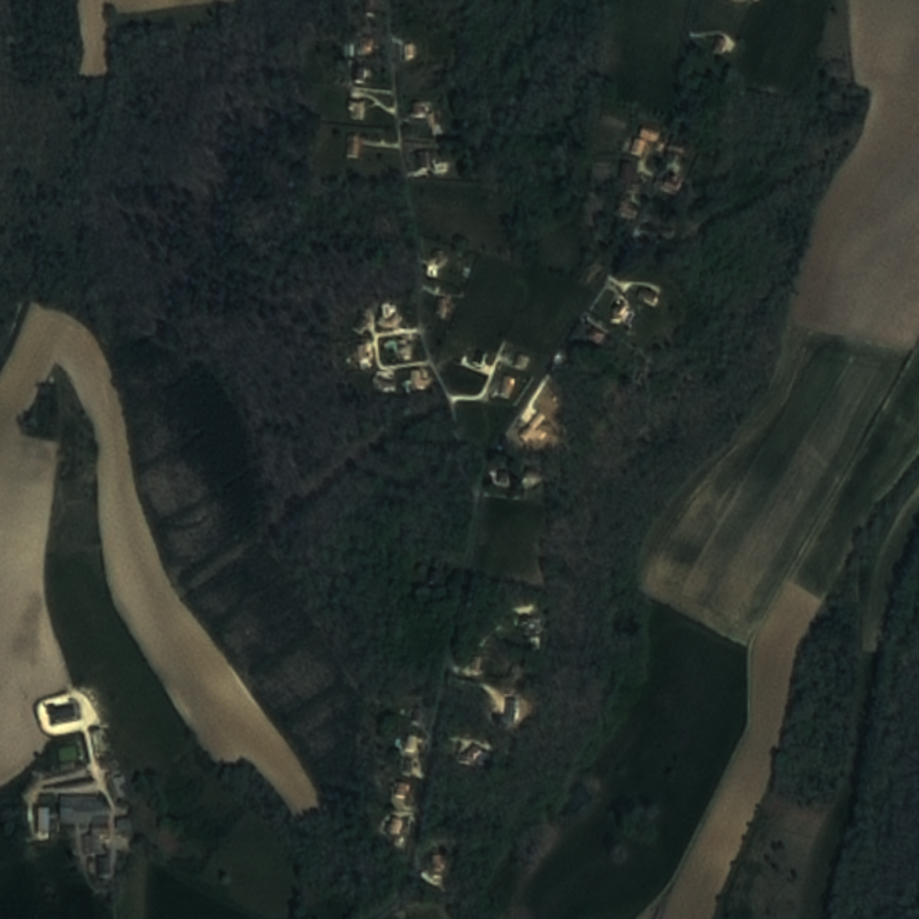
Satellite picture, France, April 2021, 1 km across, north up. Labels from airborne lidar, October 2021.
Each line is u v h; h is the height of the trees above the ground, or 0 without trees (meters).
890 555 0
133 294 19
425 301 0
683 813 0
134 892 0
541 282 0
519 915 0
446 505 19
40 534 0
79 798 0
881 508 8
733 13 0
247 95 11
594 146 0
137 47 23
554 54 24
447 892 18
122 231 15
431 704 13
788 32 0
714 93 19
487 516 0
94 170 20
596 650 22
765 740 0
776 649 0
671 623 0
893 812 12
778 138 18
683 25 0
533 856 30
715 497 0
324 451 16
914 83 0
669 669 0
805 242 19
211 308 13
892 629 20
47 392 10
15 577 0
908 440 0
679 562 0
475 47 19
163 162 18
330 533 24
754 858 0
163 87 7
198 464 7
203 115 13
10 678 0
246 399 18
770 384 16
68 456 0
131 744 0
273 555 17
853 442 0
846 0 0
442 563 14
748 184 18
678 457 18
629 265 18
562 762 24
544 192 19
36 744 0
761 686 0
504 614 23
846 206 0
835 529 0
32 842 0
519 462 15
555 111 25
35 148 20
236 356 11
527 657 23
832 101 17
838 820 0
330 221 11
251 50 17
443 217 0
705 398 19
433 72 8
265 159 25
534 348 0
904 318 0
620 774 8
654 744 0
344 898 16
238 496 10
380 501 16
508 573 0
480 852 11
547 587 15
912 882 18
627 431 20
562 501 19
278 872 0
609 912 0
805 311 0
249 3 24
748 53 0
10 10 20
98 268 17
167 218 23
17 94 18
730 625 0
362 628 24
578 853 0
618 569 23
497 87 17
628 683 25
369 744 9
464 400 0
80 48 16
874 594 0
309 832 16
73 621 0
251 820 0
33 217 12
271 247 18
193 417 9
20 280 16
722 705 0
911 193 0
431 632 15
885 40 0
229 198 20
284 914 0
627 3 0
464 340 0
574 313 0
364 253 8
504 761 15
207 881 0
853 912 27
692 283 21
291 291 12
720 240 26
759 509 0
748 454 0
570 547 17
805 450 0
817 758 19
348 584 20
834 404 0
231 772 13
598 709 19
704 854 0
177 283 8
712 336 15
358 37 12
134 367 8
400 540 23
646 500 24
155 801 16
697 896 0
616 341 11
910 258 0
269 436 19
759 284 21
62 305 16
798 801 20
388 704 15
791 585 0
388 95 0
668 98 0
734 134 20
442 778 17
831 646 22
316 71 0
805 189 21
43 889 9
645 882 0
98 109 11
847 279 0
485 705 22
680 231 12
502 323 0
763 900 0
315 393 15
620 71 0
